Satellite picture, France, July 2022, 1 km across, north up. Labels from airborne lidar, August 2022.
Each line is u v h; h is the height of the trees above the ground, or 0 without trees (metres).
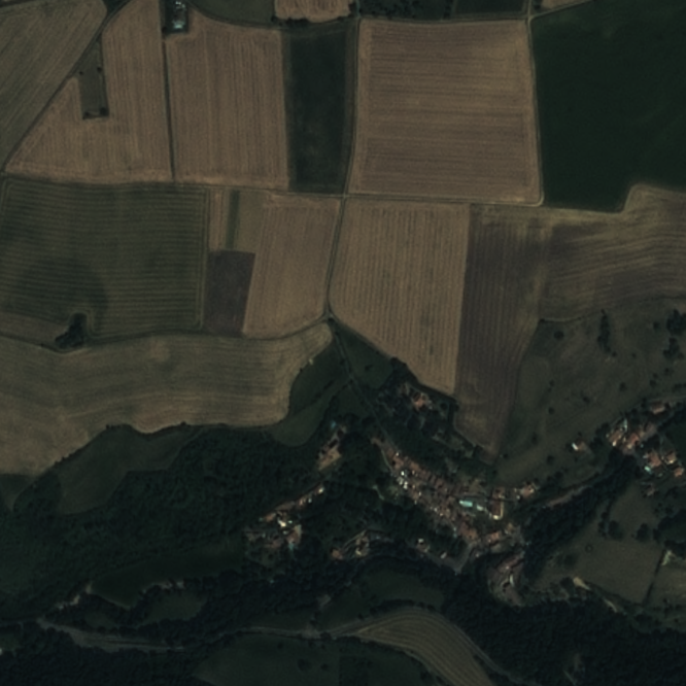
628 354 0
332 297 0
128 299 0
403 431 10
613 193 0
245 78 0
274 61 0
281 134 0
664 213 0
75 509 0
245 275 0
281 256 0
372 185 0
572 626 27
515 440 0
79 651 21
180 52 0
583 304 0
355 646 14
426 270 0
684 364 0
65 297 0
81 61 0
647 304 0
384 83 0
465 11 0
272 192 0
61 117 0
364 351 0
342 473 10
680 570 0
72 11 0
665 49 0
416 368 0
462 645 0
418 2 7
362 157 0
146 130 0
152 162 0
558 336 7
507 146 0
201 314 0
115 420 0
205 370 0
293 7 0
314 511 21
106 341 0
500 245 0
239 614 18
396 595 0
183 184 0
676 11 0
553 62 0
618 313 0
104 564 6
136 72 0
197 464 15
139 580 0
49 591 13
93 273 0
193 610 0
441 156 0
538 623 32
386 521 21
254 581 22
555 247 0
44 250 0
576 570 0
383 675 0
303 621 0
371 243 0
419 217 0
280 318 0
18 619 9
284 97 0
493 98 0
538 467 0
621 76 0
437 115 0
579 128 0
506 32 0
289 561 12
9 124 0
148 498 12
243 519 13
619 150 0
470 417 0
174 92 0
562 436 0
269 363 0
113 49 0
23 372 0
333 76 0
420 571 21
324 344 0
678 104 0
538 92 0
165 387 0
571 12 0
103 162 0
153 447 0
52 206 0
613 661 28
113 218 0
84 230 0
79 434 0
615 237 0
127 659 17
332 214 0
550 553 10
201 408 0
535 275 0
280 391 0
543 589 8
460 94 0
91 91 0
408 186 0
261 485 19
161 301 0
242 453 7
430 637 0
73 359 0
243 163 0
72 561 12
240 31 0
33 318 0
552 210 0
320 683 0
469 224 0
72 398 0
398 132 0
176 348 0
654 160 0
